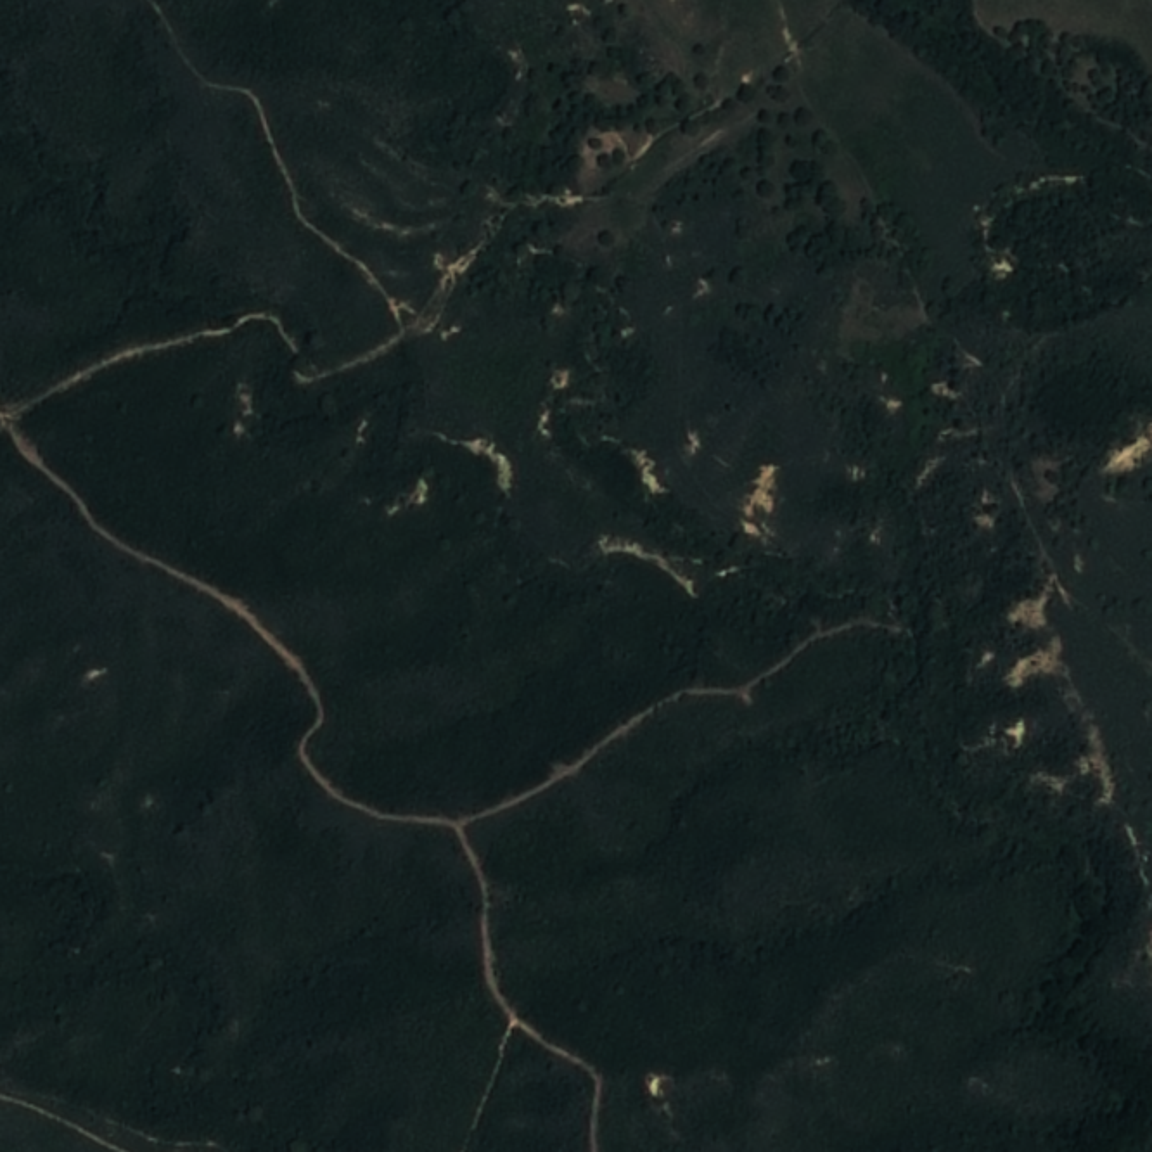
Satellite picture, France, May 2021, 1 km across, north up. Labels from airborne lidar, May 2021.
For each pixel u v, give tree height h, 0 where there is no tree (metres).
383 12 7
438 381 0
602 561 7
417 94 6
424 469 11
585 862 5
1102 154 6
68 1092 6
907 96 0
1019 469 10
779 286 0
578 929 6
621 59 9
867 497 6
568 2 0
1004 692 6
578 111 9
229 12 6
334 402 10
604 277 7
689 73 0
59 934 6
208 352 7
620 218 0
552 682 6
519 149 10
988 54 8
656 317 0
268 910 5
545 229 11
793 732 10
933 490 6
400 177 0
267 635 0
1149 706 7
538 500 0
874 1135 6
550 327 10
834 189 13
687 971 6
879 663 8
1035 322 9
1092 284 7
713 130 0
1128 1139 19
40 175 9
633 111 11
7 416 0
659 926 8
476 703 6
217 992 6
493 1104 6
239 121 5
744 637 5
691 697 7
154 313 7
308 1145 6
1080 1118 10
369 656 5
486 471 5
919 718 8
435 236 7
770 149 10
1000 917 6
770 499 0
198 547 6
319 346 7
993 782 6
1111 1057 23
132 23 6
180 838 11
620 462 6
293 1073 6
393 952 6
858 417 7
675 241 0
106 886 6
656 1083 0
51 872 6
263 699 5
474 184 9
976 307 5
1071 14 0
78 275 6
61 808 7
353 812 0
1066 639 0
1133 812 8
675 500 7
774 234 0
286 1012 6
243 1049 6
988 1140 9
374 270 0
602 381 9
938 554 6
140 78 6
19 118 7
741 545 12
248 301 6
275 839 6
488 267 9
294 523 6
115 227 8
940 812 7
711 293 0
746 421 0
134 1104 6
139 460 7
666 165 0
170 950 5
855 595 6
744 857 6
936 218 0
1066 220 8
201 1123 6
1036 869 8
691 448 0
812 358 0
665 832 8
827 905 6
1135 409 8
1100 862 13
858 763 9
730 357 9
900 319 0
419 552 6
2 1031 5
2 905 6
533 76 12
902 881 6
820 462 0
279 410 7
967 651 7
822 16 0
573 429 10
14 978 6
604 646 6
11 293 7
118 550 0
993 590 10
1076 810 12
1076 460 7
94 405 6
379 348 0
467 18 7
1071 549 0
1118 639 0
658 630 8
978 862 6
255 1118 12
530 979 6
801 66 0
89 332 7
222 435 9
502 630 6
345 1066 5
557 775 0
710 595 6
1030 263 7
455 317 0
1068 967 16
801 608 6
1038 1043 6
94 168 9
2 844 6
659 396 0
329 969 8
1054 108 6
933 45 9
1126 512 0
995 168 0
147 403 7
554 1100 5
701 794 6
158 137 6
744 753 8
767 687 8
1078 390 8
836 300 6
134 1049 6
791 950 7
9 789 8
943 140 0
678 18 0
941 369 7
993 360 6
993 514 13
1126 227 7
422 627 5
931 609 14
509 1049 5
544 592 6
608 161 11
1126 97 10
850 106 0
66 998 7
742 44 0
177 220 8
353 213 0
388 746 5
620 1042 5
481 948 0
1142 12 0
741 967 9
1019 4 0
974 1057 6
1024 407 7
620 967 8
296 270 0
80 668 5
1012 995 9
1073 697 0
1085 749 9
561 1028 5
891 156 0
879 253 6
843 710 6
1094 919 19
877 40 0
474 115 7
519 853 6
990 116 9
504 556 9
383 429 7
